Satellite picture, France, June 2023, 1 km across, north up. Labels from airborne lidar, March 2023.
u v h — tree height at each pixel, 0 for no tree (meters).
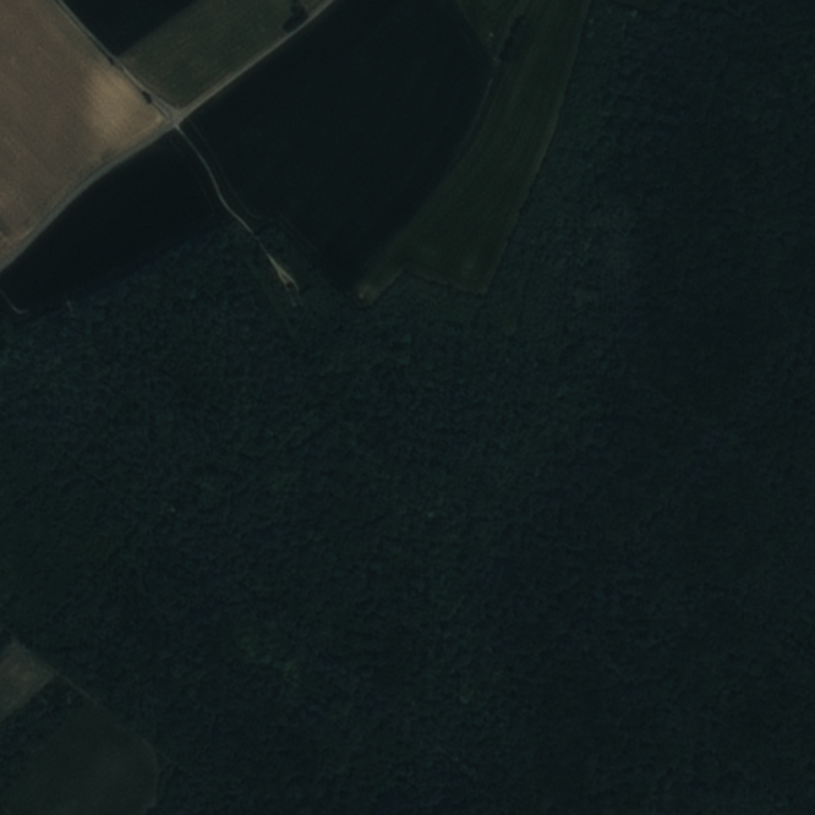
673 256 21
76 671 19
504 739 14
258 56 0
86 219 0
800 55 26
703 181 25
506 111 0
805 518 19
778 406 26
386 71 0
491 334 9
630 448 24
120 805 0
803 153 21
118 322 12
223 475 15
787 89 24
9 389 19
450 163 0
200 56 0
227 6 0
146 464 21
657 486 26
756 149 27
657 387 26
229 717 24
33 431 9
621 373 21
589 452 14
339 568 17
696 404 28
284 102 0
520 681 20
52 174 0
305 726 27
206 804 16
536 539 20
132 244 0
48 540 9
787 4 24
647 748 21
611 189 15
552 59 0
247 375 8
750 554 25
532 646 23
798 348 23
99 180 0
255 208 0
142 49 0
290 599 8
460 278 0
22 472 12
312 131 0
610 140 13
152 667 18
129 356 25
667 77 23
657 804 23
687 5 16
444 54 0
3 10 0
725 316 26
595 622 27
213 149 0
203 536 14
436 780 26
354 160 0
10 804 0
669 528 29
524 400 6
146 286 22
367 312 12
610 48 7
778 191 23
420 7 0
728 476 29
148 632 25
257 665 10
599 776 27
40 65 0
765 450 25
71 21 0
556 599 24
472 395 16
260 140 0
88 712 0
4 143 0
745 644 22
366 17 0
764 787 24
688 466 25
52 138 0
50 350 20
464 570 16
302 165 0
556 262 11
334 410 8
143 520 19
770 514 25
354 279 0
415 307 9
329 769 21
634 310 15
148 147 0
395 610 20
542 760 23
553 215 7
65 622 15
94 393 21
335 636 19
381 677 21
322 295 6
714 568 25
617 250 14
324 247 0
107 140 0
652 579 26
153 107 0
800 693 24
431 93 0
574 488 22
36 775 0
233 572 16
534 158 0
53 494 13
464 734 19
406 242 0
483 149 0
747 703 26
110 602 20
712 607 25
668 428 26
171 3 0
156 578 18
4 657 0
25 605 10
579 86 7
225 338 6
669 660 27
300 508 17
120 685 20
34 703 10
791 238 25
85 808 0
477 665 22
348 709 14
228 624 20
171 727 19
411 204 0
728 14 21
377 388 19
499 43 0
